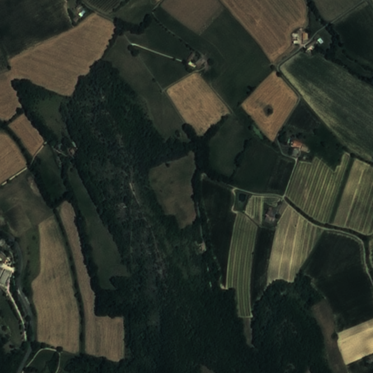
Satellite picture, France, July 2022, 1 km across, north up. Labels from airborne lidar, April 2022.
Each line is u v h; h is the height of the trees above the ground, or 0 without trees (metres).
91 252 16
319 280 0
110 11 0
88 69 0
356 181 0
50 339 0
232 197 0
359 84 0
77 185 0
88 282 0
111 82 10
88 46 0
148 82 0
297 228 0
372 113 0
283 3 0
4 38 0
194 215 0
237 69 0
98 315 14
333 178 0
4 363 20
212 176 18
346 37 0
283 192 0
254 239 0
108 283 0
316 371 8
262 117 0
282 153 0
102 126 10
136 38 0
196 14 0
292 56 0
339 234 0
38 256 0
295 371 10
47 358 0
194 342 8
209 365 10
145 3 0
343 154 0
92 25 0
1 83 0
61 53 0
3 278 0
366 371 0
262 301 6
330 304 0
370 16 0
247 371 13
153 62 0
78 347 0
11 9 0
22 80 10
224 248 0
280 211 0
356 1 0
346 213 0
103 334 0
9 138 0
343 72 0
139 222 6
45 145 8
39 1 0
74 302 0
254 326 16
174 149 16
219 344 11
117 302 7
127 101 9
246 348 19
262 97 0
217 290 17
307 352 9
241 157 20
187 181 0
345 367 0
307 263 0
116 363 6
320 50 13
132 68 0
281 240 0
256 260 0
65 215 0
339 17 0
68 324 0
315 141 0
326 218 0
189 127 20
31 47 0
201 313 10
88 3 0
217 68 0
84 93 7
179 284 8
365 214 0
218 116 0
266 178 0
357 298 0
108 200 9
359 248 0
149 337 14
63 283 0
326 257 0
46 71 0
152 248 6
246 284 0
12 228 0
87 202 0
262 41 0
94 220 0
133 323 6
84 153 9
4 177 0
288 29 0
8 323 0
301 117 0
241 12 0
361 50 0
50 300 0
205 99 0
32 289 0
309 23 0
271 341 7
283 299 10
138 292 8
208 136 15
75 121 14
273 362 14
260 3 0
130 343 9
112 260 0
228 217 0
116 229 12
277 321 7
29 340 15
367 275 0
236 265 0
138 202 0
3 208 0
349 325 0
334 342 0
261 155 0
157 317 0
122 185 7
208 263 11
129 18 0
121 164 10
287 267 0
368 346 0
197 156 15
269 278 0
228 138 0
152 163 14
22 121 0
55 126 0
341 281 0
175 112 0
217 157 0
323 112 0
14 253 8
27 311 0
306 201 0
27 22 0
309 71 0
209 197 0
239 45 0
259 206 0
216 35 0
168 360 11
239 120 0
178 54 0
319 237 0
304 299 10
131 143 11
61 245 0
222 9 0
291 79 0
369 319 0
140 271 12
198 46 0
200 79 0
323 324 0
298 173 0
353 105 0
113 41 12
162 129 0
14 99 0
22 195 0
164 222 9
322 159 0
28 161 7
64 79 0
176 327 7
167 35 0
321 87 0
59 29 0
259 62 0
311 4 20
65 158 7
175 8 0
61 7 0
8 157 0
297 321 9
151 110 0
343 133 0
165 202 0
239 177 0
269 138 0
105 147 6
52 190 0
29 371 17
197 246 0
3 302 0
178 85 0
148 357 8
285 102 0
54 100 0
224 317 13
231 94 0
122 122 12
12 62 0
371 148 0
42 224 0
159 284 6
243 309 0
